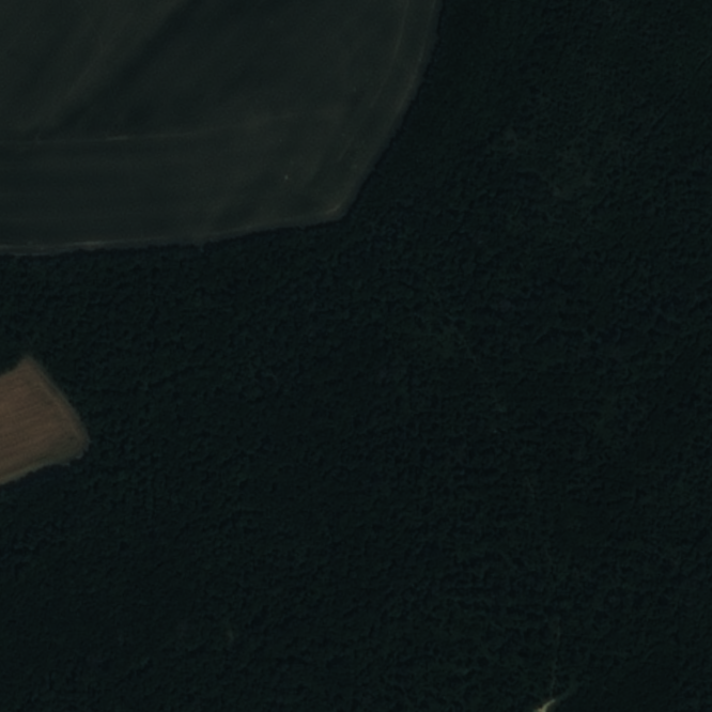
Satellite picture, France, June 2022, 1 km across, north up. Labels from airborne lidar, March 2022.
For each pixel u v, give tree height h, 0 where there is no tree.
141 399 19
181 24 0
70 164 0
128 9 0
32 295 5
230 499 17
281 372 20
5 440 0
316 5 0
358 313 20
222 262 18
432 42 0
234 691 18
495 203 20
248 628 17
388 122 0
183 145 0
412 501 24
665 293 8
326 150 0
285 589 18
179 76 0
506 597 25
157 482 20
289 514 21
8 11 0
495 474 17
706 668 14
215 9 0
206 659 16
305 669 23
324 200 0
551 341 21
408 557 29
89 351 12
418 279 22
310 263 21
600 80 0
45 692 22
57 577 19
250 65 0
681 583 21
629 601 21
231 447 18
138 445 20
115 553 16
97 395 18
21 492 20
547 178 0
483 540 22
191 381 21
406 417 20
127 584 18
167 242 0
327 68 0
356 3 0
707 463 18
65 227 0
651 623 6
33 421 0
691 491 6
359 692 21
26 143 0
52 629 19
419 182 18
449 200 19
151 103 0
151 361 19
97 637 19
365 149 0
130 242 0
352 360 22
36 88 0
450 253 19
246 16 0
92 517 24
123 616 19
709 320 16
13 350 19
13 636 19
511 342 21
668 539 18
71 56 0
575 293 19
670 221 15
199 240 0
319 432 24
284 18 0
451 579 21
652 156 8
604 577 21
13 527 23
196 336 20
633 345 22
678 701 12
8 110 0
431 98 17
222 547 19
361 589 21
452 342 0
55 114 0
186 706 20
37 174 0
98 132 0
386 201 17
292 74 0
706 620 13
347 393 21
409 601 22
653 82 7
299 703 22
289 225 0
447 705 21
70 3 0
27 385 0
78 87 0
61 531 27
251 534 19
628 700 8
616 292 11
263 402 21
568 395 6
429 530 21
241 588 18
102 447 22
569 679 13
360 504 21
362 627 18
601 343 21
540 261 20
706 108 10
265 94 0
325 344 18
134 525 21
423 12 0
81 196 0
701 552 14
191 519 17
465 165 18
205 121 0
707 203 20
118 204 0
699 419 9
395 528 19
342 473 26
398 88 0
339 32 0
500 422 11
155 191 0
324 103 0
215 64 0
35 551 26
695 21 7
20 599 19
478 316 21
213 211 0
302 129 0
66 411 0
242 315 23
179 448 19
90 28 0
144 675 19
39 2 0
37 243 0
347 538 24
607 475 7
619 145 0
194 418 23
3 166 0
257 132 0
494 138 22
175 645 16
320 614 20
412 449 21
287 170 0
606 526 8
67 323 20
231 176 0
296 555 15
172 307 26
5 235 0
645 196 14
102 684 19
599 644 7
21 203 0
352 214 12
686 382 8
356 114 0
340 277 21
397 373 21
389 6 0
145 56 0
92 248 0
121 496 14
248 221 0
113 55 0
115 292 22
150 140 0
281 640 24
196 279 19
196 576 18
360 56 0
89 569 18
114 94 0
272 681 14
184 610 20
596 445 10
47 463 0
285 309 20
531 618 21
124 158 0
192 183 0
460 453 22
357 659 18
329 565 24
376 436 22
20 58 0
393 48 0
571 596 14
